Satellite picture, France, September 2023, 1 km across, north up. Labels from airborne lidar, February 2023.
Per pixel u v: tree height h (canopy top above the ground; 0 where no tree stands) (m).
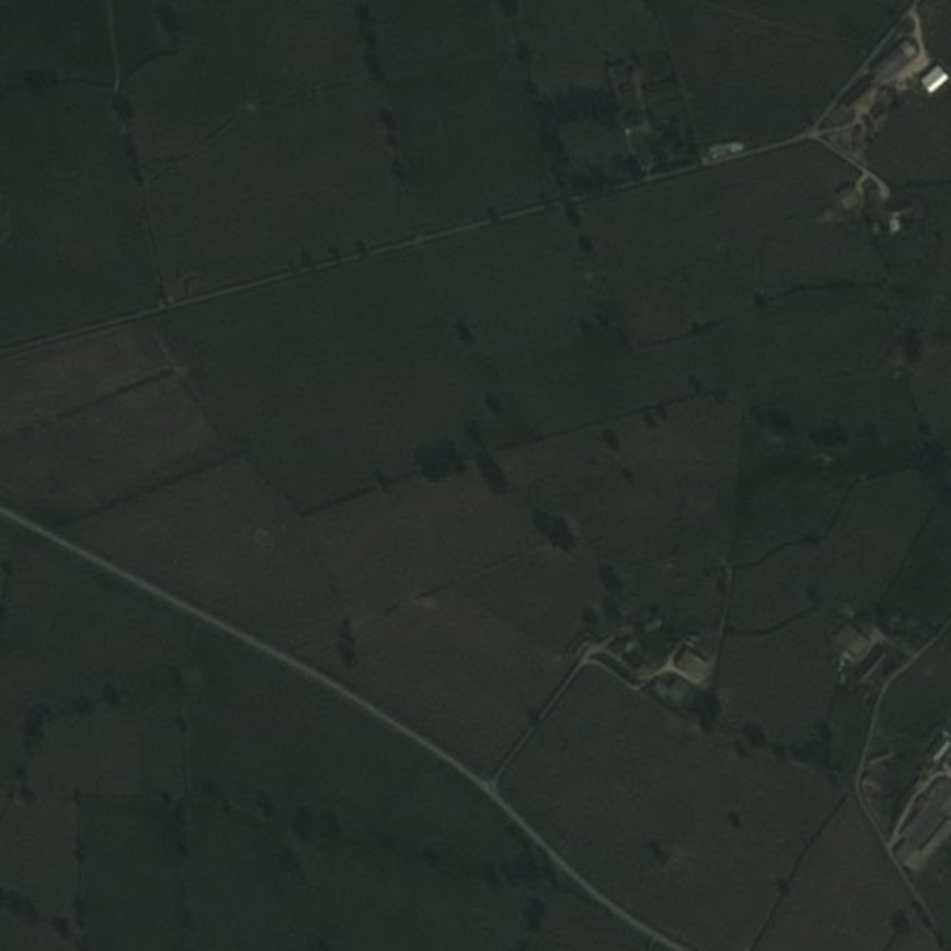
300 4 0
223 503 0
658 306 0
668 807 0
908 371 0
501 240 0
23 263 0
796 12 0
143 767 0
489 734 0
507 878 18
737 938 0
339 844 0
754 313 0
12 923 0
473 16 0
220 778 0
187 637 0
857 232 0
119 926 0
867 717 0
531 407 0
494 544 0
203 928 0
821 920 0
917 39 0
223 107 0
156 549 0
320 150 0
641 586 0
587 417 0
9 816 0
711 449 0
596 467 0
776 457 0
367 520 0
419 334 0
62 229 0
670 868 0
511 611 0
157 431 0
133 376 0
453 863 0
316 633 0
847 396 0
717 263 0
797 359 0
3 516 0
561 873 0
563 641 0
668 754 0
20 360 0
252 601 0
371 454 0
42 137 0
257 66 0
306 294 0
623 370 0
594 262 0
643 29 0
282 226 0
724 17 0
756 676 0
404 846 0
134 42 0
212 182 0
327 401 0
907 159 0
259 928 0
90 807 0
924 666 0
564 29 0
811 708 0
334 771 0
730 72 0
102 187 0
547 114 20
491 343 0
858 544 0
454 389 0
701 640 0
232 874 0
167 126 0
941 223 0
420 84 0
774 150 0
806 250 0
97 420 0
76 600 0
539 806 0
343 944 0
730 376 0
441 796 0
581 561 0
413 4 0
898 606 0
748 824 0
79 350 0
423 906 0
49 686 0
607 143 0
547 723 0
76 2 0
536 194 0
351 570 0
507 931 0
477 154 0
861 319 0
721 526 0
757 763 0
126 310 0
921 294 0
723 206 0
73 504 0
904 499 0
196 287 0
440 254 0
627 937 0
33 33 0
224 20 0
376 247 0
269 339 0
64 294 0
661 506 0
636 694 0
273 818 0
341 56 0
